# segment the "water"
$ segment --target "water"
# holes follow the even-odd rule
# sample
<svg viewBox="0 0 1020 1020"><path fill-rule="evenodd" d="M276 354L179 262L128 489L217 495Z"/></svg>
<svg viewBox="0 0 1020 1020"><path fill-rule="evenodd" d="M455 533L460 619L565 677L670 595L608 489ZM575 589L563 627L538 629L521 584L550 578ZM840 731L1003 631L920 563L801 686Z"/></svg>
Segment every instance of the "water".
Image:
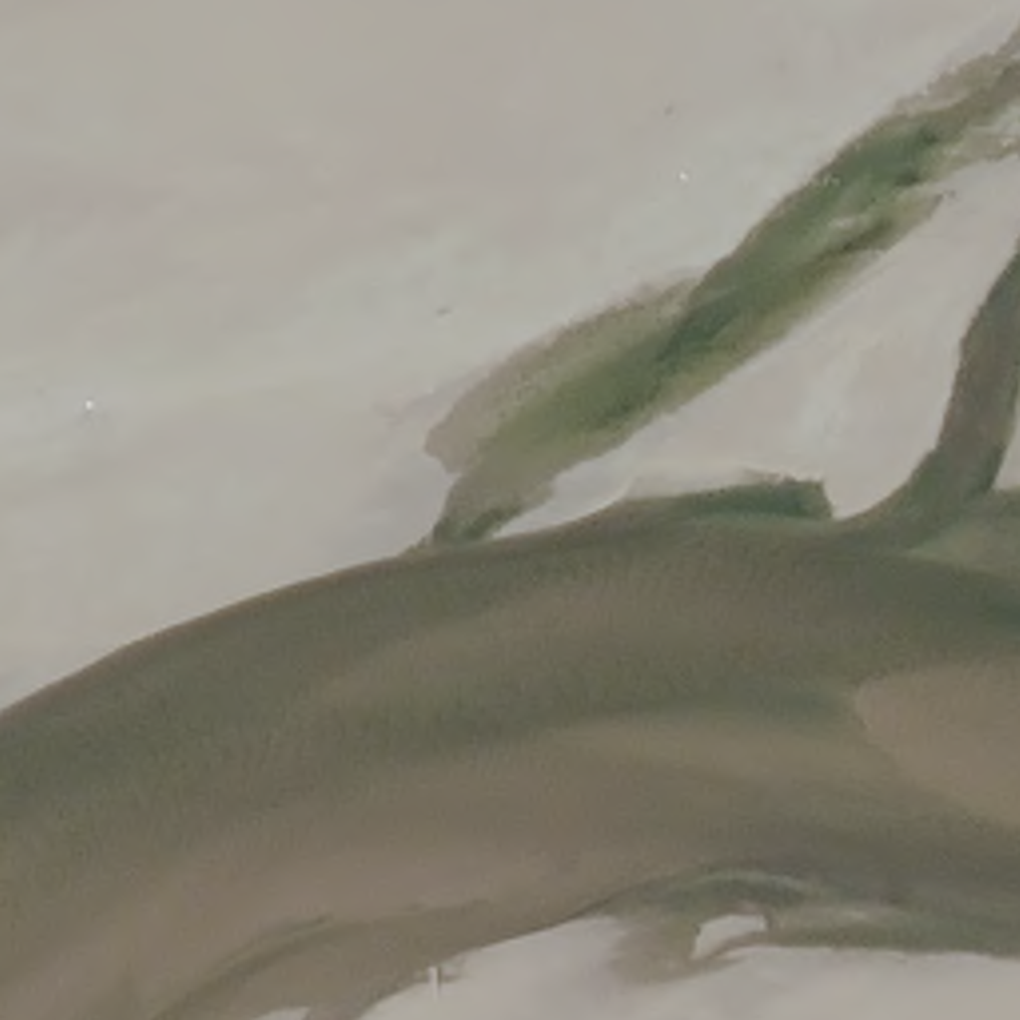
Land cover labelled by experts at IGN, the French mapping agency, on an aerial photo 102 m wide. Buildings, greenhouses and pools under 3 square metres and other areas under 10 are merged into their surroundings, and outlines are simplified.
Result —
<svg viewBox="0 0 1020 1020"><path fill-rule="evenodd" d="M729 371L785 339L873 251L893 247L900 235L932 219L940 203L952 203L960 195L952 171L1020 155L1020 28L996 52L976 56L956 72L940 72L924 92L896 100L896 108L885 120L877 120L869 131L845 143L805 187L785 195L741 239L741 247L713 263L697 283L641 287L630 303L606 307L574 327L562 327L550 343L514 351L482 383L474 383L454 402L454 410L426 434L426 450L454 478L454 490L430 538L422 538L398 558L307 578L223 606L215 614L191 618L183 626L159 630L0 709L0 1020L363 1020L386 996L422 984L430 964L446 964L454 956L586 916L618 920L622 940L610 956L610 968L630 988L677 984L689 976L717 972L725 968L729 952L761 944L980 952L1020 960L1020 486L1000 486L996 474L1020 410L1020 247L960 339L960 367L936 446L924 454L924 462L896 494L877 502L873 510L837 518L821 482L785 478L673 498L626 498L582 522L518 538L494 538L494 526L542 506L562 470L622 446L653 414L693 402Z"/></svg>

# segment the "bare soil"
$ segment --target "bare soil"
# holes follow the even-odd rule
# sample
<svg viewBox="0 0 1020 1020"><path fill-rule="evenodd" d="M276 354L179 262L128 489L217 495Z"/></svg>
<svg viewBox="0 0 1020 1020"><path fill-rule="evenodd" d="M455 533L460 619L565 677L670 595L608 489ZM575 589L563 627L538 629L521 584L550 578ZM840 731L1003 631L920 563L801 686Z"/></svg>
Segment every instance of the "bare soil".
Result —
<svg viewBox="0 0 1020 1020"><path fill-rule="evenodd" d="M1020 1020L1020 960L980 952L761 944L729 952L725 968L717 972L689 976L677 984L630 988L610 968L610 956L622 940L618 920L586 916L454 956L446 964L430 964L422 984L386 996L363 1020Z"/></svg>
<svg viewBox="0 0 1020 1020"><path fill-rule="evenodd" d="M932 219L900 235L893 247L873 251L785 339L729 371L693 402L653 414L622 446L562 470L542 506L494 526L494 538L518 538L582 522L626 498L673 498L785 478L821 482L837 518L873 510L877 502L896 494L924 462L924 454L936 446L960 367L960 339L1020 247L1020 155L952 171L960 195L952 203L940 203Z"/></svg>
<svg viewBox="0 0 1020 1020"><path fill-rule="evenodd" d="M996 474L1000 486L1020 486L1020 410Z"/></svg>
<svg viewBox="0 0 1020 1020"><path fill-rule="evenodd" d="M0 0L0 709L159 630L183 626L191 618L215 614L223 606L307 578L398 558L422 538L430 538L454 490L454 478L426 450L426 434L454 410L454 402L474 383L482 383L514 351L550 343L562 327L574 327L606 307L630 303L641 287L697 283L713 263L741 247L741 239L785 195L805 187L845 143L869 131L877 120L885 120L896 108L896 100L924 92L940 72L956 72L976 56L996 52L1020 28L1020 0Z"/></svg>

